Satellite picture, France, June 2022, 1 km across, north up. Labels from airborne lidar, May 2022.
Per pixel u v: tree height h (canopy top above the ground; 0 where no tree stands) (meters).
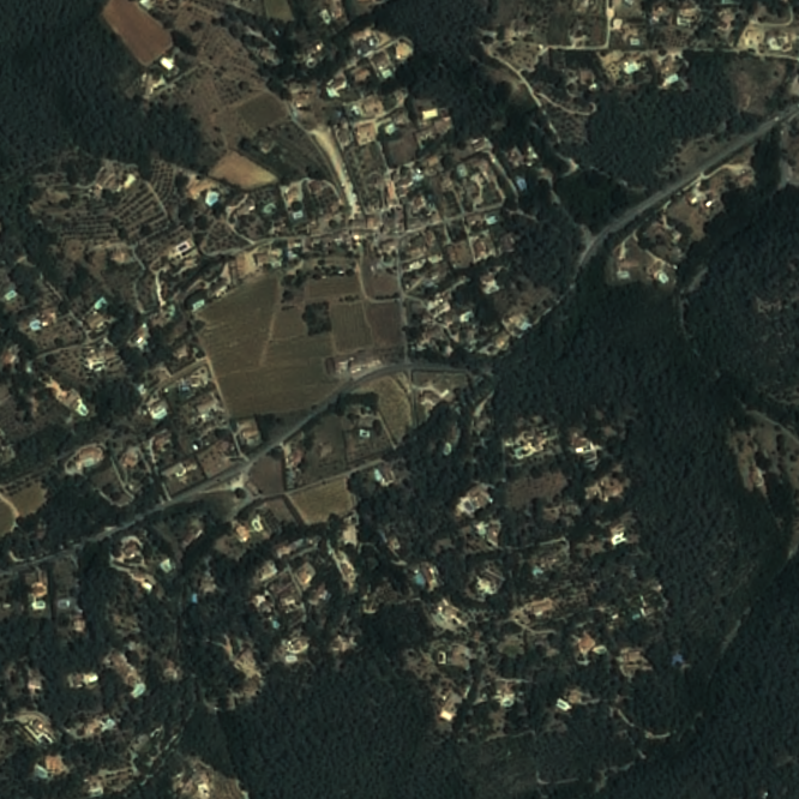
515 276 8
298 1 7
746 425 16
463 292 13
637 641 19
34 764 11
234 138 0
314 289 0
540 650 13
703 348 12
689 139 18
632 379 20
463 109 21
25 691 9
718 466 22
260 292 0
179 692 13
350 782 17
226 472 0
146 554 14
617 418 21
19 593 8
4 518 0
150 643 19
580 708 8
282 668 8
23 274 22
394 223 0
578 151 22
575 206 13
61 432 5
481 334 11
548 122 21
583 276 12
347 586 7
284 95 11
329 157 0
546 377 19
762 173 6
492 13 16
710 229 20
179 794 7
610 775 12
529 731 9
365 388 0
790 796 13
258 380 0
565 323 8
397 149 0
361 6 0
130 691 7
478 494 0
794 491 13
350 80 9
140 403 6
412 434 13
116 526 9
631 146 12
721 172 0
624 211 17
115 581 22
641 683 20
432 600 6
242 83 9
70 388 6
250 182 0
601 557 15
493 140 8
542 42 0
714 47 9
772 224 17
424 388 0
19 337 12
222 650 13
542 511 18
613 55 0
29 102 22
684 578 17
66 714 19
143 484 6
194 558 14
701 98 20
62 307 10
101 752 8
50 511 19
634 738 19
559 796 17
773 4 18
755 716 17
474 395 10
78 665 24
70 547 24
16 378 10
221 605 7
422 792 14
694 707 14
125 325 19
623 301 12
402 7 19
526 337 11
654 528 7
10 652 21
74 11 18
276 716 7
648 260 0
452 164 13
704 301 15
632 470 9
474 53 8
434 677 6
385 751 17
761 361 8
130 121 22
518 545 6
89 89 22
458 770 13
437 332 0
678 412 6
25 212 13
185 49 14
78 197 9
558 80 10
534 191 14
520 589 12
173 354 10
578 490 18
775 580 10
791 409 8
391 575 7
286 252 6
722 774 14
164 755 8
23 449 20
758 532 11
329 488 0
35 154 17
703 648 7
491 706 13
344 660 8
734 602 8
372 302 0
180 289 7
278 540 7
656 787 13
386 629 16
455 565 21
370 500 18
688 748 10
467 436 18
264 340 0
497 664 7
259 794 20
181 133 19
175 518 13
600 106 17
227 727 11
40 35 19
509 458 7
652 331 11
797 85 0
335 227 8
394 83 14
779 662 22
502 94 16
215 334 0
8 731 8
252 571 7
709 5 6
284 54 14
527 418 10
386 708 16
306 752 21
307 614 6
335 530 8
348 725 6
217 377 0
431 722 9
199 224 12
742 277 21
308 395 0
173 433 6
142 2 0
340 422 0
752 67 0
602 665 19
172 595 8
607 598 21
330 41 6
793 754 21
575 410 17
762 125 18
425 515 15
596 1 0
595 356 20
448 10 16
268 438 9
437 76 23
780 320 7
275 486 0
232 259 11
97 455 0
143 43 0
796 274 14
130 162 12
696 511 20
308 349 0
